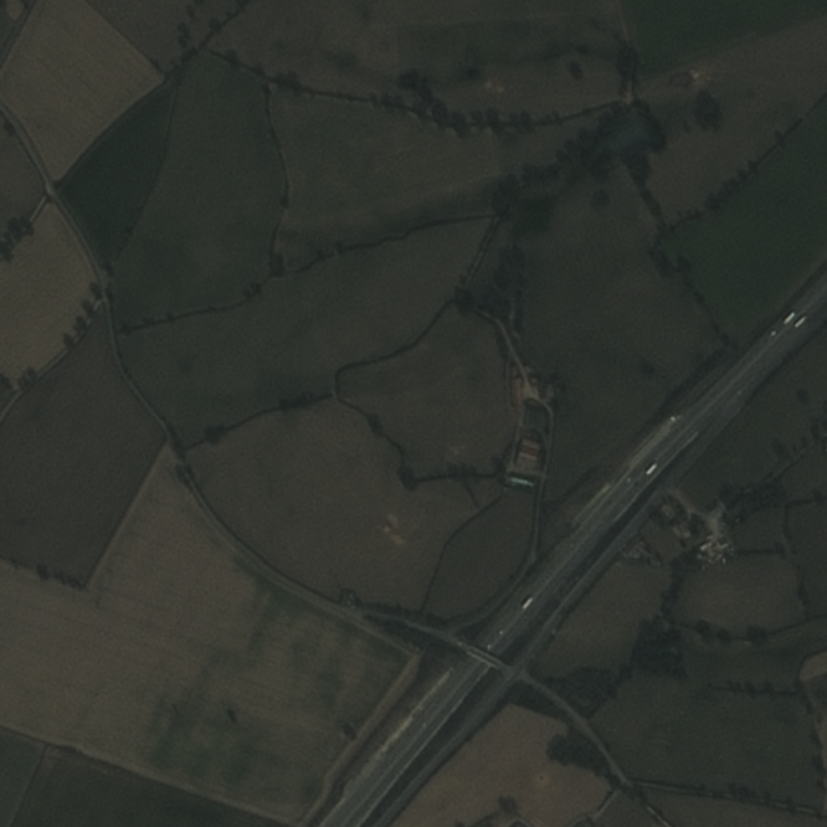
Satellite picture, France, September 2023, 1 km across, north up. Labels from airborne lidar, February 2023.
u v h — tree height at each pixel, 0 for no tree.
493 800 0
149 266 0
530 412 0
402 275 0
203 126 0
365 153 0
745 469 0
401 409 0
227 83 0
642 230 0
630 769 0
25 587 0
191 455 0
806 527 0
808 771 0
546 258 0
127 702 0
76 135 0
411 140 0
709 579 0
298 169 0
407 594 0
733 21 0
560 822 0
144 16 0
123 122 0
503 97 0
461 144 0
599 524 0
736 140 0
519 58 0
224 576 0
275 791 0
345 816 0
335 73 0
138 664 0
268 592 0
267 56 0
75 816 0
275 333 0
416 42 0
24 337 0
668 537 0
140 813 0
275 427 0
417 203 0
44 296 0
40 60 0
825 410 8
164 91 0
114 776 0
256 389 0
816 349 0
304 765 0
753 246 0
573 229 0
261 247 0
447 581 0
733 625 0
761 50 0
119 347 0
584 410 0
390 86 0
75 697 0
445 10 0
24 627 0
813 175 0
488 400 0
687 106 0
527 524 0
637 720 0
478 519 0
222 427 8
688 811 0
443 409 0
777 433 0
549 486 0
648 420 0
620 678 6
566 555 0
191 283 0
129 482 0
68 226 0
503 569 0
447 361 0
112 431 0
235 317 0
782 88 0
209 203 0
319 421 0
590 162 15
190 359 0
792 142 0
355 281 0
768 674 0
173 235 0
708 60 0
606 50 0
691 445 0
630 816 0
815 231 0
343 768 0
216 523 0
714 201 15
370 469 0
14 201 0
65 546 0
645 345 0
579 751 12
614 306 0
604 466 0
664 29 0
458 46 0
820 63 0
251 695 0
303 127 0
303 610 0
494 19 0
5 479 0
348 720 0
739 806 0
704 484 0
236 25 0
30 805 0
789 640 0
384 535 0
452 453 0
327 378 0
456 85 0
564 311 0
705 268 0
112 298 9
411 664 0
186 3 0
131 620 0
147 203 0
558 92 0
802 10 0
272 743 0
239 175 0
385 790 0
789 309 0
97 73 0
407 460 0
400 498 0
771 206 0
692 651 0
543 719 0
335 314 0
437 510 0
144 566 0
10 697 0
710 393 0
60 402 0
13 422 0
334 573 0
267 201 0
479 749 0
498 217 15
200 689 0
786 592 0
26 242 0
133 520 0
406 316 0
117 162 0
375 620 7
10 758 0
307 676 0
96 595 0
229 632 0
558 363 0
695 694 0
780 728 0
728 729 0
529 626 0
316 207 0
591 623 0
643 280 0
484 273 0
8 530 0
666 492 0
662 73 0
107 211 0
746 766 0
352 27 0
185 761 0
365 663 0
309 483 0
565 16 0
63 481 0
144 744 0
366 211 0
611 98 0
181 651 0
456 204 0
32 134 0
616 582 0
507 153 0
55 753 0
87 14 0
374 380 0
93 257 0
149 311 0
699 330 0
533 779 0
